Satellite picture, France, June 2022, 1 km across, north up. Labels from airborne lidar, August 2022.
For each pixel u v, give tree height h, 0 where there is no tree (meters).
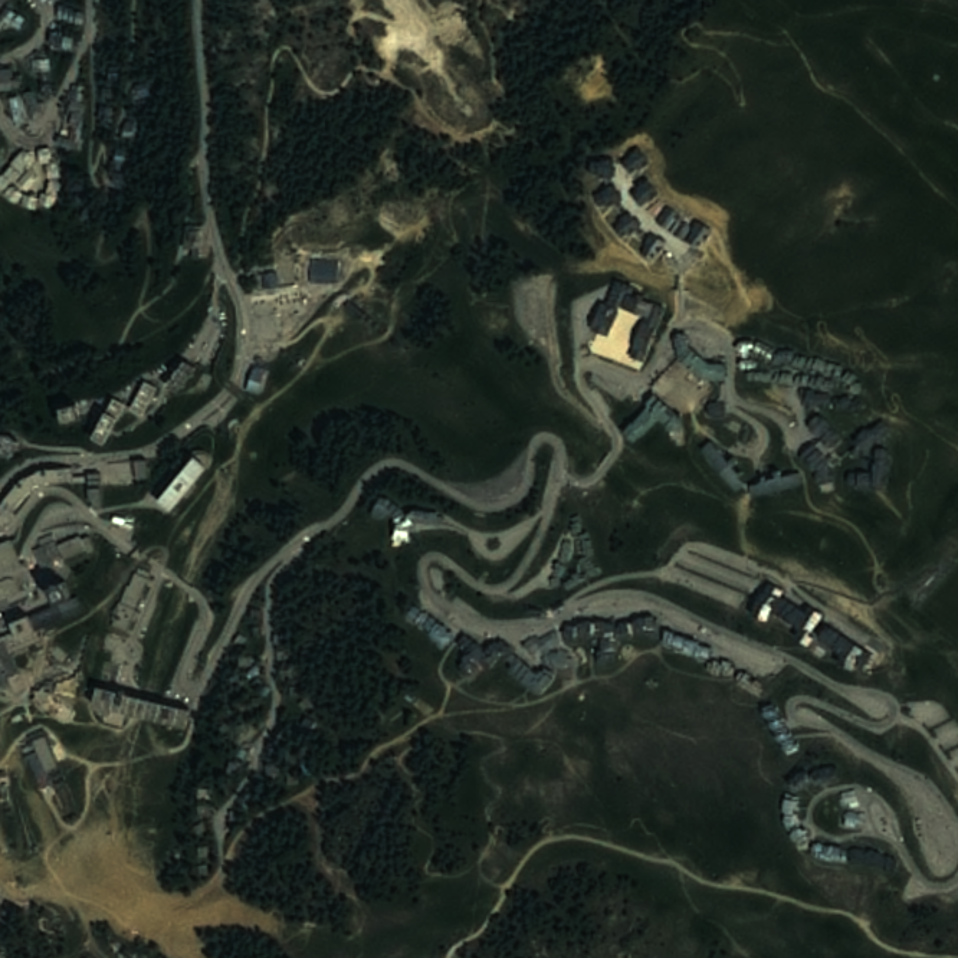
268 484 0
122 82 14
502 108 14
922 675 0
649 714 0
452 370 0
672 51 10
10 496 0
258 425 0
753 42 0
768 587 0
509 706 0
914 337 0
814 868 0
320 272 0
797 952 0
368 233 0
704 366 0
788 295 0
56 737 0
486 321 0
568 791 0
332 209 0
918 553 0
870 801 0
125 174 13
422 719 0
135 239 18
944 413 0
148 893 0
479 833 0
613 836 0
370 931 0
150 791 0
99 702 0
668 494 0
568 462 0
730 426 0
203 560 0
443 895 0
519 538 0
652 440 0
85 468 0
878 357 0
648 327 0
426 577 0
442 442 0
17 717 0
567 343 0
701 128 0
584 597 0
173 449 21
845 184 0
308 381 0
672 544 0
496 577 0
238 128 13
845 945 0
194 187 9
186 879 20
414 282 0
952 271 0
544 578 0
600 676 0
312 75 0
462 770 12
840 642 0
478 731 0
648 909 0
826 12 0
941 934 0
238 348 0
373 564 19
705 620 0
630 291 0
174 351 0
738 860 0
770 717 0
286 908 22
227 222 6
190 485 0
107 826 0
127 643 0
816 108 0
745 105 0
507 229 0
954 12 0
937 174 0
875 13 0
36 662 0
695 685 0
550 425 0
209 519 0
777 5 0
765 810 0
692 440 0
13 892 0
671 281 0
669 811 0
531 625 0
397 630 21
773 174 0
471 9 7
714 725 0
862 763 0
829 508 0
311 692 16
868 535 0
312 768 19
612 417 0
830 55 0
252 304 0
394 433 24
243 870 17
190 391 0
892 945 0
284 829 22
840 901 0
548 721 0
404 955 0
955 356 0
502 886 0
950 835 0
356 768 14
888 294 0
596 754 0
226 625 0
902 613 0
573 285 0
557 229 20
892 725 0
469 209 0
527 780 0
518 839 9
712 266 0
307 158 15
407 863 7
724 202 0
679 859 0
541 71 15
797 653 0
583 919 16
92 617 0
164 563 0
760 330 0
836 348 0
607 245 0
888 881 0
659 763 0
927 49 0
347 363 0
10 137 0
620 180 0
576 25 19
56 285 0
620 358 0
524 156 14
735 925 0
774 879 0
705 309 0
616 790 0
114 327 0
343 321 0
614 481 0
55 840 0
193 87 10
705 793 0
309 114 13
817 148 0
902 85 0
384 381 0
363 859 13
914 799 0
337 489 19
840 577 0
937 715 0
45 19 0
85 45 0
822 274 0
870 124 0
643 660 0
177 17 14
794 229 0
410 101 13
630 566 0
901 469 0
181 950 0
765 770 0
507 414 0
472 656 0
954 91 0
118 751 0
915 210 0
